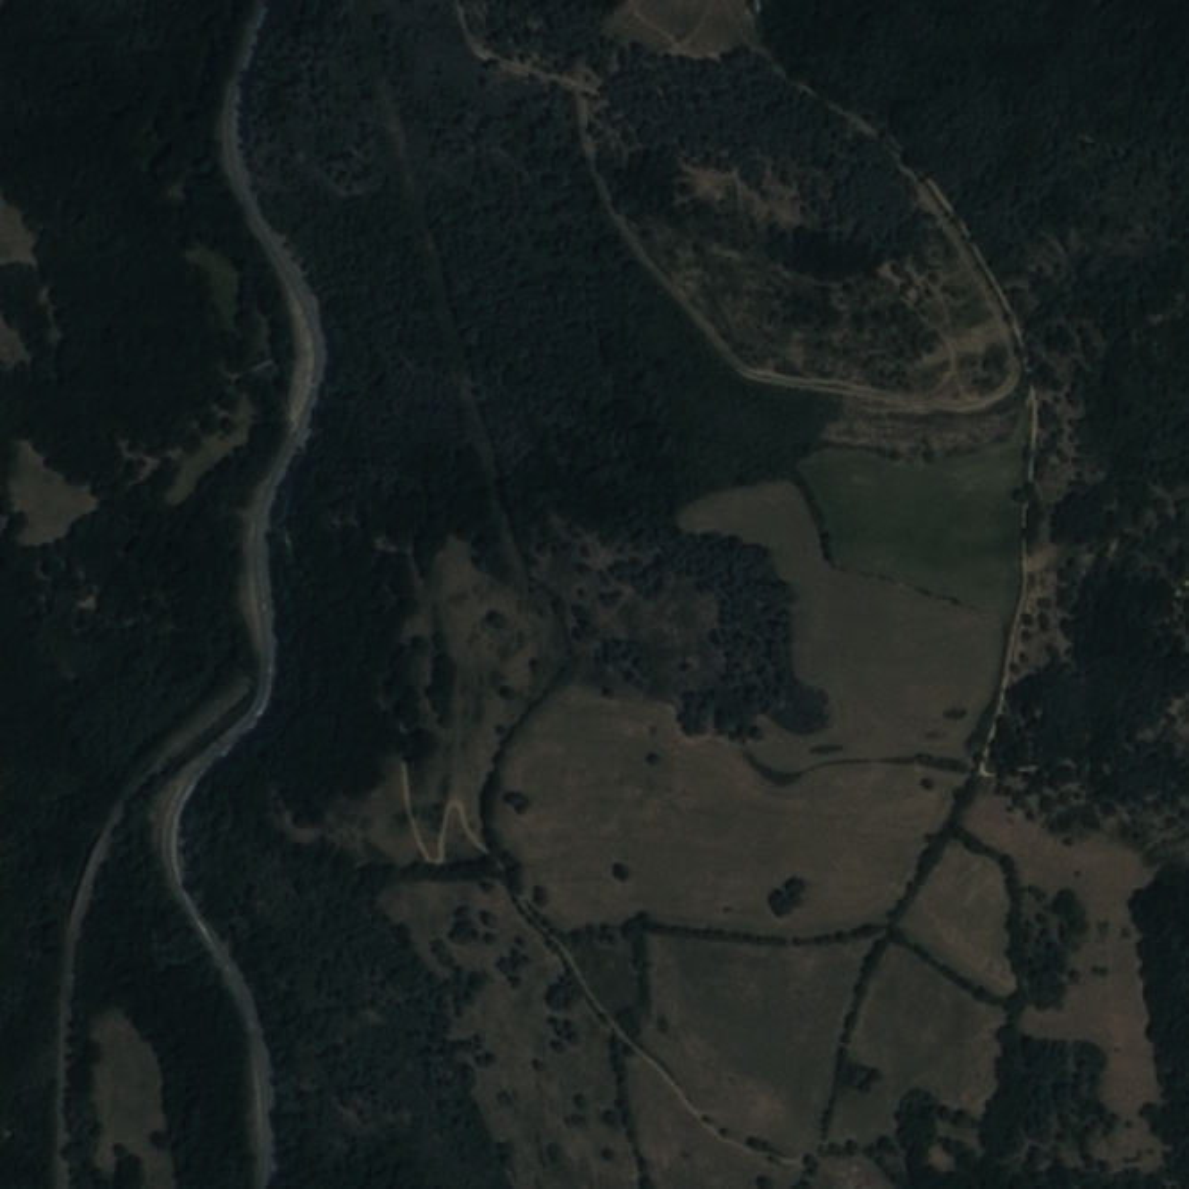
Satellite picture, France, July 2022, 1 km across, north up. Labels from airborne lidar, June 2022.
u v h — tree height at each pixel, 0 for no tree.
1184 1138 16
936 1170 7
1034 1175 14
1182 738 0
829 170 16
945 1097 0
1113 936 0
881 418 0
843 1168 0
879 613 0
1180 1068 16
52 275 16
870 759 0
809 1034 0
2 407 17
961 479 0
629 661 13
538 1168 0
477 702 0
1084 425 13
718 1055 0
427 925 0
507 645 0
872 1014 0
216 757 0
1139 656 12
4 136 22
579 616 8
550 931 7
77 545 18
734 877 0
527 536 10
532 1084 0
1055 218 11
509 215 10
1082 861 0
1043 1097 20
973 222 14
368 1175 9
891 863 0
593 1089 0
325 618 23
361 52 10
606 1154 9
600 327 12
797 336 0
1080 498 14
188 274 28
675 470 9
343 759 21
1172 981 16
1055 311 11
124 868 11
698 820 0
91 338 23
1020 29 20
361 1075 7
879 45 23
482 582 0
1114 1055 0
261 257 17
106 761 27
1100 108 13
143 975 20
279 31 16
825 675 0
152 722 28
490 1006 0
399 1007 10
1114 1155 0
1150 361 14
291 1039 10
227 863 11
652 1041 0
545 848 0
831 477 0
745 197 0
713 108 16
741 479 8
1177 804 11
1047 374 14
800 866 0
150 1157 0
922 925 0
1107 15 20
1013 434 0
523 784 0
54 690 15
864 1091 6
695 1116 0
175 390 17
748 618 17
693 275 0
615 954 0
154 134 11
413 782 0
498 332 17
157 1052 13
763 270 0
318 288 10
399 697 12
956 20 27
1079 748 13
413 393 13
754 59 16
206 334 18
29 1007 20
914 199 7
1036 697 12
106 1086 0
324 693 21
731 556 19
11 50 19
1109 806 9
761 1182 12
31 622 17
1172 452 11
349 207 8
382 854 0
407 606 15
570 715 0
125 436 15
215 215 21
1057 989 15
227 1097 15
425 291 13
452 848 0
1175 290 12
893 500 0
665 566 17
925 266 6
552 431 8
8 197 13
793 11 20
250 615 0
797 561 0
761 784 0
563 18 22
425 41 0
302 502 19
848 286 9
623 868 9
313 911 11
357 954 10
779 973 0
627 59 14
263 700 0
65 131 26
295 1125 11
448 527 19
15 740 22
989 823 0
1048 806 9
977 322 0
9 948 16
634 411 11
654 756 7
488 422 12
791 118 16
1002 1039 12
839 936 11
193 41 15
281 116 7
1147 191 8
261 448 16
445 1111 12
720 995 0
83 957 9
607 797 0
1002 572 0
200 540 16
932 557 0
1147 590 13
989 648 0
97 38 19
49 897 18
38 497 0
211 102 11
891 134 11
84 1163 14
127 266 22
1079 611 12
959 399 0
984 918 0
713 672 0
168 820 0
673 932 7
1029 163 15
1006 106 15
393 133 0
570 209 14
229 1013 13
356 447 15
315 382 0
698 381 6
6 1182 24
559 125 15
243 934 7
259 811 12
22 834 22
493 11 8
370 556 17
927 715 0
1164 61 19
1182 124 13
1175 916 17
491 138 12
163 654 15
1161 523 8
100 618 15
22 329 13
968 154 17
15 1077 18
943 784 0
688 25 0
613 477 9
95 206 14
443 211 7
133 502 16
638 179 12
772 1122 0
